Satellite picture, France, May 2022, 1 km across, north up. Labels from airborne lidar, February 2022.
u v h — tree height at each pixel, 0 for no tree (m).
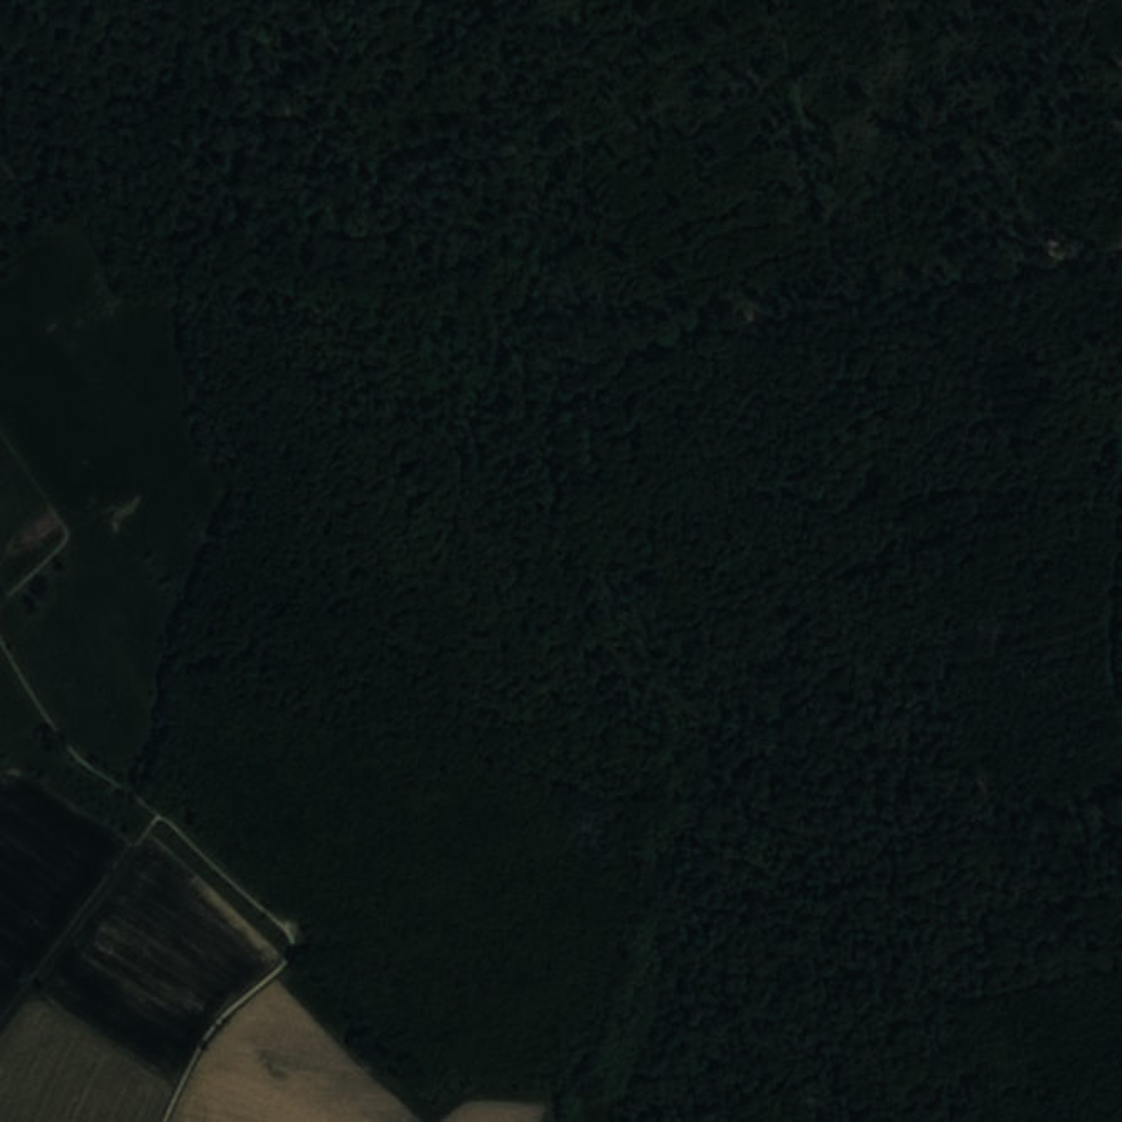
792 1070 26
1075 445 22
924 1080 22
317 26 32
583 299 10
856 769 30
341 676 23
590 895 19
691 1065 30
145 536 0
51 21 29
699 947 30
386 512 27
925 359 26
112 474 0
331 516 26
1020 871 31
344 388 22
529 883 20
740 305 0
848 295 26
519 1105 0
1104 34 7
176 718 19
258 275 28
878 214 7
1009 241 27
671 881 30
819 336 23
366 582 23
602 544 31
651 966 25
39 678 0
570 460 29
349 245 31
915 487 20
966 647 29
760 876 32
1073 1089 21
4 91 31
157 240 26
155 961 0
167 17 31
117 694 0
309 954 15
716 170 6
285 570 25
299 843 20
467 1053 19
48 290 0
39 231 16
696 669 24
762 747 29
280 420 24
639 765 26
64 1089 0
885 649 23
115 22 31
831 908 23
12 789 0
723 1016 31
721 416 25
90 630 0
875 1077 25
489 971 18
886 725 34
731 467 23
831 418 26
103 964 0
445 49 30
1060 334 23
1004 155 35
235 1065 0
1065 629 24
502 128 28
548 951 17
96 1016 0
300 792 17
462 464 26
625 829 22
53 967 0
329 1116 0
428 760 20
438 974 19
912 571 25
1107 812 32
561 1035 16
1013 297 22
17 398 0
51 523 0
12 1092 0
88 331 0
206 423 19
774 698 28
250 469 21
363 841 18
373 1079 0
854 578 24
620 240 7
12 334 0
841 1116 27
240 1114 0
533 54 26
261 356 24
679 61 6
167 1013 0
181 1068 0
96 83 27
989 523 24
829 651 23
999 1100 21
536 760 22
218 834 16
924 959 30
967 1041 20
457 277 28
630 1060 20
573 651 24
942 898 30
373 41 34
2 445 0
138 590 0
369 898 17
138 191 30
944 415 19
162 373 0
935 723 31
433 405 21
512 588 23
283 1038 0
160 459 0
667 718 31
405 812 18
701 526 25
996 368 14
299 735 19
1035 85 31
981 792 29
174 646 15
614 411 26
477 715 25
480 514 25
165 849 0
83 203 26
